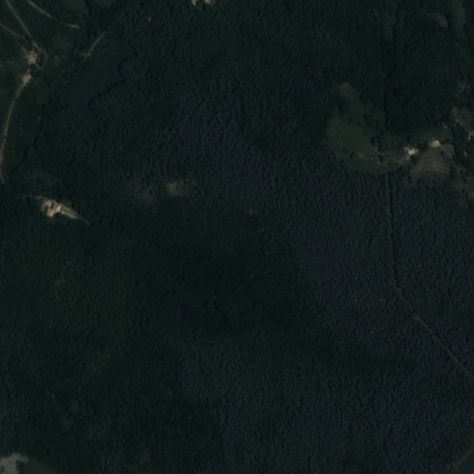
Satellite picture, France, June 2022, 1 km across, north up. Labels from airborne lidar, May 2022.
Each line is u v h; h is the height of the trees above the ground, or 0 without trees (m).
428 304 17
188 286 23
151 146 9
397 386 8
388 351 15
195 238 20
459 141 15
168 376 16
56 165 25
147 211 13
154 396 13
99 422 10
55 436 14
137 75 17
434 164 0
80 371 8
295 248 14
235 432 20
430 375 9
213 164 18
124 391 13
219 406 13
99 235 24
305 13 17
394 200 19
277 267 18
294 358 16
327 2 20
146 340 23
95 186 19
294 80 22
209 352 22
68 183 22
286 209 14
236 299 18
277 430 13
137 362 26
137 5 14
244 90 18
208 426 11
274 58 29
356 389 7
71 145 14
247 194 13
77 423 9
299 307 14
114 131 16
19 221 13
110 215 23
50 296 17
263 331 20
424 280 22
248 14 18
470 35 12
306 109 16
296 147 12
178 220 16
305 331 20
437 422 15
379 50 10
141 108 17
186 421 9
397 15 10
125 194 11
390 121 17
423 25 11
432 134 0
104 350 11
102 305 14
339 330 15
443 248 13
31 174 9
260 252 10
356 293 15
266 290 18
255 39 20
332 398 9
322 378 12
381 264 7
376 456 14
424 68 22
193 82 23
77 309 16
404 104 27
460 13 0
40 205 6
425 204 13
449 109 11
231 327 26
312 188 18
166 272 18
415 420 14
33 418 14
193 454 7
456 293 11
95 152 10
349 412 14
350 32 16
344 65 22
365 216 14
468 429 16
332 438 17
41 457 9
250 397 15
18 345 19
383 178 16
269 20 15
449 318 18
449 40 15
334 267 17
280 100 17
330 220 15
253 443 19
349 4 17
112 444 12
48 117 20
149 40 12
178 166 7
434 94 18
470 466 0
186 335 16
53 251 14
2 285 17
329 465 12
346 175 17
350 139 0
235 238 16
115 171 12
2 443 16
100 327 14
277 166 17
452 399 12
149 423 17
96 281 12
